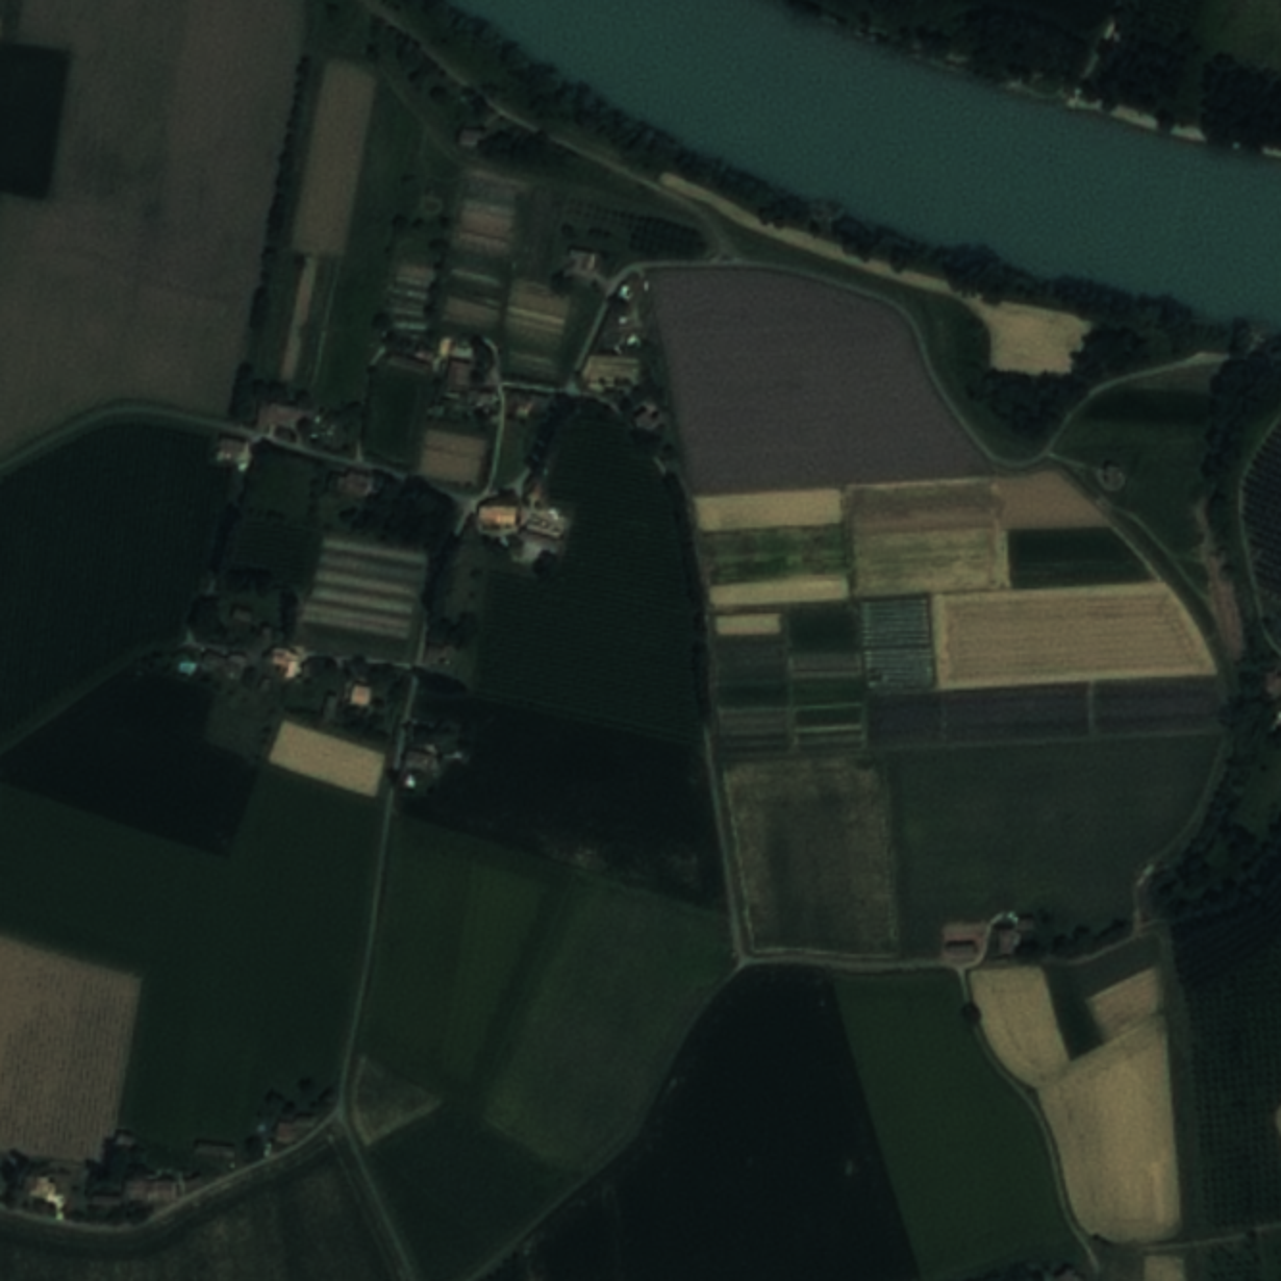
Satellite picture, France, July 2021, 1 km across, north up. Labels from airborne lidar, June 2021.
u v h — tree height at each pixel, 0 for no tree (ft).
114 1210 22
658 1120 0
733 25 0
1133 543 0
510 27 0
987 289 43
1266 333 0
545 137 29
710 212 0
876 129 0
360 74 0
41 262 0
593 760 0
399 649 0
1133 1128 0
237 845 0
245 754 0
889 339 0
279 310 0
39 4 0
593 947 0
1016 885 0
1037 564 0
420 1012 0
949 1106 0
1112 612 0
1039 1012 0
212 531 19
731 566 0
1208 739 0
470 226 0
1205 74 0
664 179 0
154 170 0
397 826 0
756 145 0
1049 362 0
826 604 0
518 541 42
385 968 0
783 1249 0
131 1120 0
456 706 0
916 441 0
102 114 0
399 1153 0
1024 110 0
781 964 0
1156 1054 0
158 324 0
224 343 0
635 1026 0
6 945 0
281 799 0
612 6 0
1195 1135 0
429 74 39
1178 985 0
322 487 24
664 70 0
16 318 0
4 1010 0
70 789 0
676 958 0
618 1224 0
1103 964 0
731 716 0
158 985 0
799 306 0
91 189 0
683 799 0
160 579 17
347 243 0
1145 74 78
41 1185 0
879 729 0
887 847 0
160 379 0
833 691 0
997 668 0
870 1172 0
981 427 0
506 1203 0
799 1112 0
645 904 0
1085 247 0
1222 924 84
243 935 0
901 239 42
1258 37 0
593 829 0
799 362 0
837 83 0
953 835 0
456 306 0
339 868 0
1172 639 0
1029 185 0
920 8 91
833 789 0
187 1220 0
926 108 0
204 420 0
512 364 0
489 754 0
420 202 0
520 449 0
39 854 0
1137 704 0
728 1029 0
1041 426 62
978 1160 0
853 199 0
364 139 0
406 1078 0
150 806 0
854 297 0
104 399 0
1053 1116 0
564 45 0
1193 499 0
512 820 0
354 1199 0
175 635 17
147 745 0
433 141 0
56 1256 0
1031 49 70
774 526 0
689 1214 0
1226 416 61
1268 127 84
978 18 47
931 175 0
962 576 0
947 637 0
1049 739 0
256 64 0
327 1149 0
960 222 0
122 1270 0
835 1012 0
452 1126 0
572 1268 0
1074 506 0
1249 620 19
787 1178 0
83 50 0
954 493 0
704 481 0
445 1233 0
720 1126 0
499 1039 0
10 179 0
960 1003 0
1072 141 0
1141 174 0
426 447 0
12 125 0
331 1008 0
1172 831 0
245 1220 0
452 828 0
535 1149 0
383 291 0
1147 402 0
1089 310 60
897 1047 0
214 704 0
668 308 0
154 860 0
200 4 0
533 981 0
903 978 0
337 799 0
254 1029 0
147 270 0
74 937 0
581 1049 0
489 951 0
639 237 28
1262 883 23
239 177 0
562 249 0
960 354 0
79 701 0
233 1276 0
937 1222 0
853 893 0
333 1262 0
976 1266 0
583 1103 0
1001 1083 0
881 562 0
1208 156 0
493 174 0
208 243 0
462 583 0
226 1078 0
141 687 0
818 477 0
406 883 0
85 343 0
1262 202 0
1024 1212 0
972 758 0
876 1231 0
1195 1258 0
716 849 0
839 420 0
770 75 0
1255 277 0
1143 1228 0
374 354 0
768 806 0
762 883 0
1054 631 0
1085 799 0
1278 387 89
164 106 0
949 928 0
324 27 0
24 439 0
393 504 47
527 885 0
